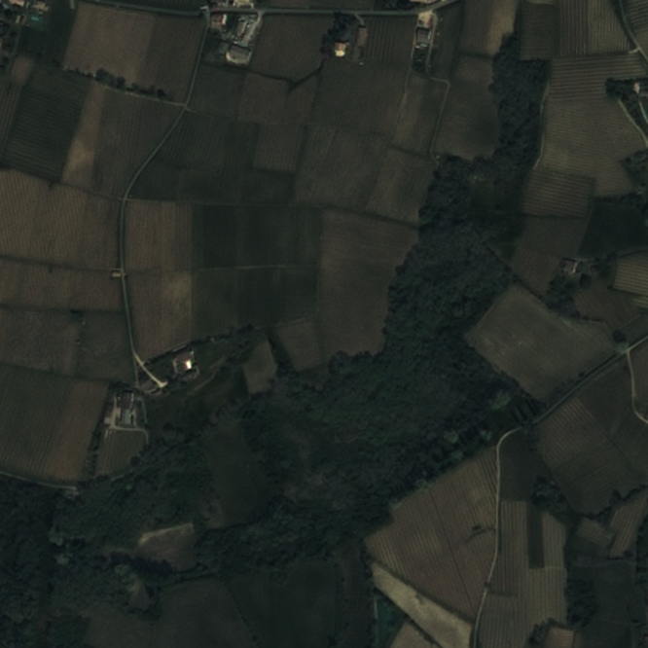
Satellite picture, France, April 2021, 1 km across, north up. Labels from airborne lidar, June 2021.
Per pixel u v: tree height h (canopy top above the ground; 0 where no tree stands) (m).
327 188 0
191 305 0
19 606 19
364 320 0
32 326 0
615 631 0
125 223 0
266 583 0
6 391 0
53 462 0
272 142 0
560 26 0
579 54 0
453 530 0
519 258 0
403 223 0
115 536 22
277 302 0
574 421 0
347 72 0
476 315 7
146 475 11
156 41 0
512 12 0
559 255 0
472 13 0
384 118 0
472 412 7
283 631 0
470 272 18
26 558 20
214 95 0
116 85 16
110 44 0
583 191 0
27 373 0
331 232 0
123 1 0
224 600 0
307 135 0
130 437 0
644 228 0
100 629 0
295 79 0
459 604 0
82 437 0
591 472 0
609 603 0
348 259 0
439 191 18
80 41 0
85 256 0
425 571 0
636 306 0
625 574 0
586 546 0
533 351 0
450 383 19
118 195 0
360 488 5
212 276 0
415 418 19
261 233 0
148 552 0
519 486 0
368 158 0
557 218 0
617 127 0
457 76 0
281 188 0
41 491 23
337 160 0
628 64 0
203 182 0
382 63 0
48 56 0
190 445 13
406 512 0
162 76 0
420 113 0
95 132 0
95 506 20
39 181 0
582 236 0
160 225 0
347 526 8
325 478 8
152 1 0
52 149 0
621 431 0
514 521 0
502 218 0
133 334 0
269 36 0
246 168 0
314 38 0
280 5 0
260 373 0
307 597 0
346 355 11
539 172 0
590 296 0
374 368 19
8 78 0
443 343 21
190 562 0
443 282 19
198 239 0
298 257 0
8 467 0
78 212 0
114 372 0
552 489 18
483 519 0
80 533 24
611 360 0
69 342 0
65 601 16
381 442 10
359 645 16
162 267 0
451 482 0
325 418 15
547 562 0
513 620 0
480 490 0
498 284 19
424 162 0
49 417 0
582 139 0
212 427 14
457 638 0
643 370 0
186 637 0
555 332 0
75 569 20
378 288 0
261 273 0
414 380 20
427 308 21
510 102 18
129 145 0
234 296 0
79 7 0
